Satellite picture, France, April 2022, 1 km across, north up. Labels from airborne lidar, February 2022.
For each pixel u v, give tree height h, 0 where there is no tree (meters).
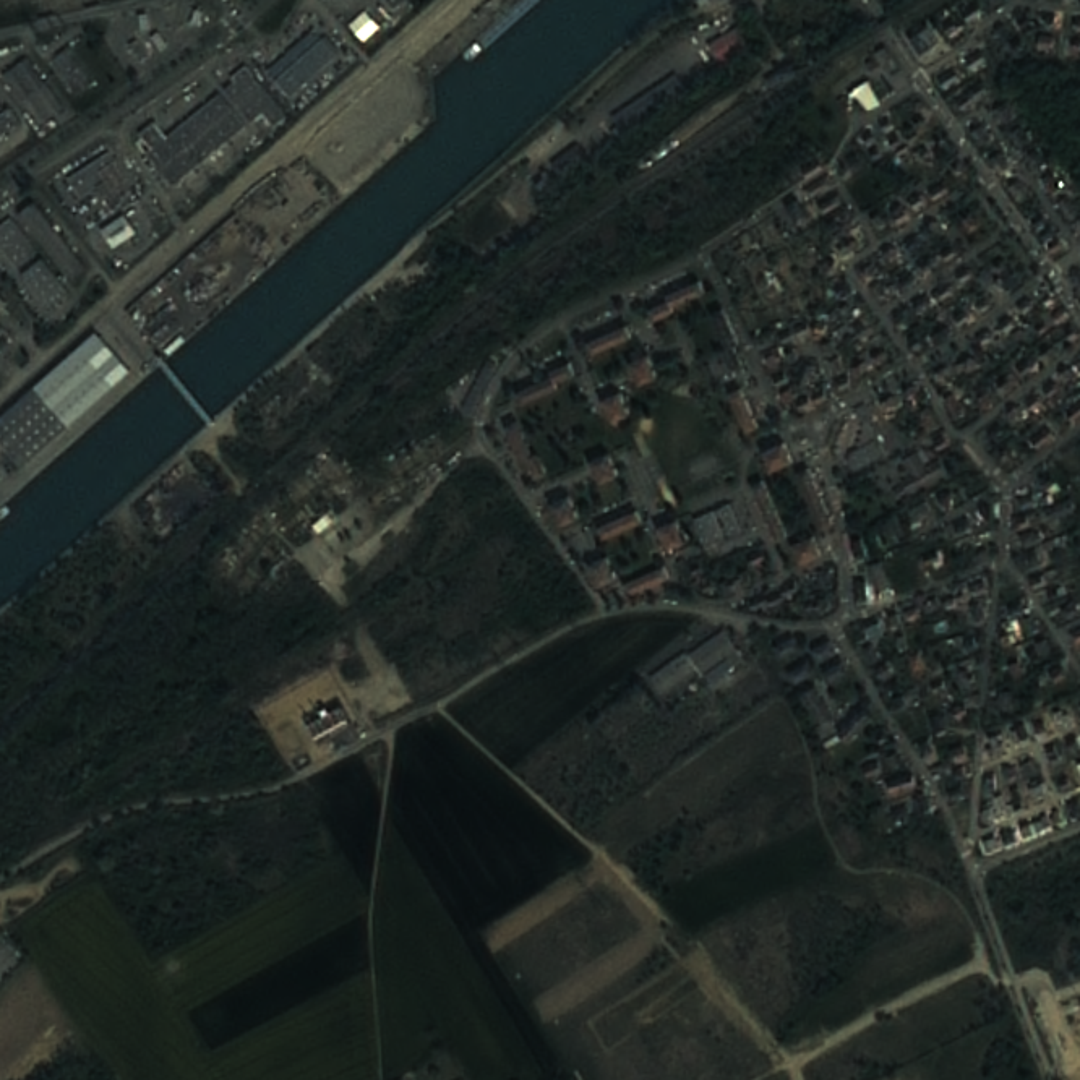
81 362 0
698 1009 0
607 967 0
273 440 0
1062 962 0
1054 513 0
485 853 0
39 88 0
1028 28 8
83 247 0
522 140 0
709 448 0
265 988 0
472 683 0
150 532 0
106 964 0
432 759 0
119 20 0
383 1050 0
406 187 0
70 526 0
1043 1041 0
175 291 0
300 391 0
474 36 0
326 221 0
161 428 0
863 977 0
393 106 0
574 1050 0
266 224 0
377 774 0
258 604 9
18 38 0
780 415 16
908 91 0
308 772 0
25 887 0
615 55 0
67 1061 22
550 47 0
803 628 0
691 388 0
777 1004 0
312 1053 0
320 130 0
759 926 0
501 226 0
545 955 0
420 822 0
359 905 0
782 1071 0
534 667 0
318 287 0
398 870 0
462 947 0
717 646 0
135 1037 0
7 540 0
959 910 0
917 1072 0
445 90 0
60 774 8
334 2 0
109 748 7
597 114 0
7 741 14
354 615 0
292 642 8
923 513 0
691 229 16
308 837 7
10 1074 0
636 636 0
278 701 0
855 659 0
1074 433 0
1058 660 8
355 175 0
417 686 0
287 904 0
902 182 9
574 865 0
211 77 0
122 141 0
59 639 0
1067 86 16
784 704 0
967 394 0
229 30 0
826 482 0
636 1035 0
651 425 0
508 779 0
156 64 0
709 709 0
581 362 0
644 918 0
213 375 0
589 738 0
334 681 0
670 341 0
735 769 0
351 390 9
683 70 0
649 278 0
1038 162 0
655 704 8
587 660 0
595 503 10
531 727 0
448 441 0
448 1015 0
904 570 0
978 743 0
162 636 13
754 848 0
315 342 0
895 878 0
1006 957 0
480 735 0
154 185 0
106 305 0
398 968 0
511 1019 0
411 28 0
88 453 0
